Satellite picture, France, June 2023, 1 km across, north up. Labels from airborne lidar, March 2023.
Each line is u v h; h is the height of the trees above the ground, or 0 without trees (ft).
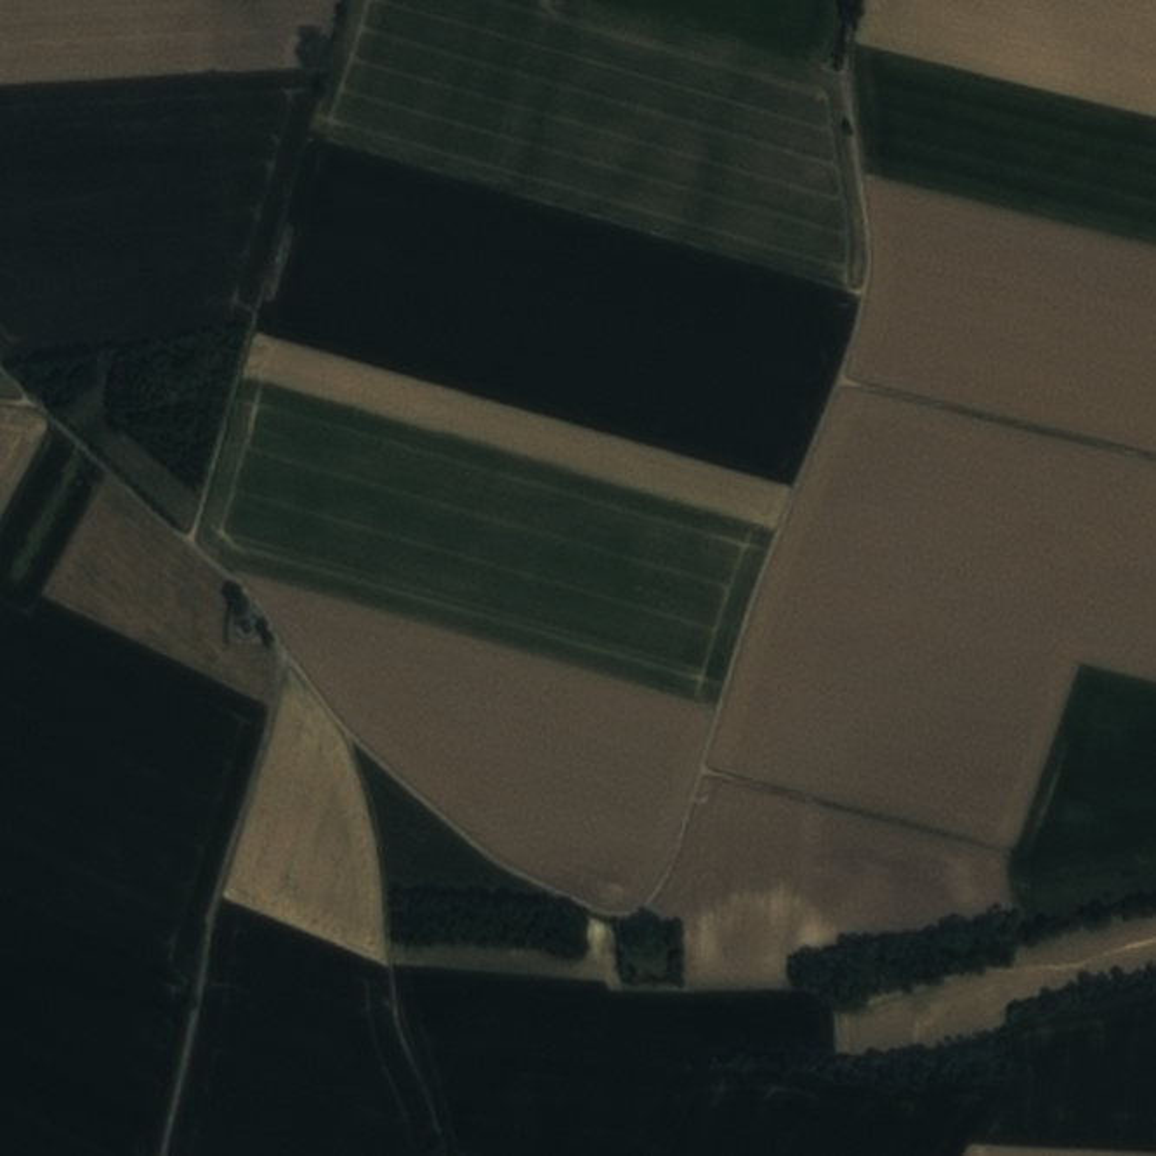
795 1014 0
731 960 0
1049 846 0
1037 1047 0
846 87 0
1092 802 0
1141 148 0
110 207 0
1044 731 0
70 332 0
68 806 0
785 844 0
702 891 0
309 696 0
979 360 0
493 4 0
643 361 0
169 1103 0
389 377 0
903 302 0
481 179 0
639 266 0
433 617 0
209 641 0
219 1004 0
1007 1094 0
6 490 0
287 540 0
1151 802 0
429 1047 0
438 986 0
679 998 0
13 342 0
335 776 0
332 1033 0
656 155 0
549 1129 0
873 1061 26
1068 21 0
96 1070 0
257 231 0
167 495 0
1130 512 0
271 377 0
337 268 0
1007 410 0
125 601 0
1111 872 0
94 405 0
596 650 0
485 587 0
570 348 0
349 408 0
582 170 0
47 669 0
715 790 0
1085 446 0
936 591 0
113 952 0
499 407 0
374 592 0
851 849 0
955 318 0
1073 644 0
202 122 0
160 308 0
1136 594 0
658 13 0
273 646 0
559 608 0
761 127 0
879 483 0
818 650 0
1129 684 0
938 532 0
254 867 0
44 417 0
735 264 0
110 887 0
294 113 0
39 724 0
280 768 0
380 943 0
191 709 0
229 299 0
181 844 0
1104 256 0
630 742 0
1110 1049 0
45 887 0
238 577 0
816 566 0
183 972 0
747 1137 0
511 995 0
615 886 0
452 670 0
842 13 38
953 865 0
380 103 0
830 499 0
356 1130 0
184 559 0
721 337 0
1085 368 0
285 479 0
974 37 0
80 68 0
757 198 0
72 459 0
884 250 0
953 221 0
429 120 0
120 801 0
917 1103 0
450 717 0
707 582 0
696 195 0
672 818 0
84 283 0
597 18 0
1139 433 0
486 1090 0
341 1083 0
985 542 0
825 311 0
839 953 27
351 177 0
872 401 0
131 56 0
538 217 0
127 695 0
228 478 0
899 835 0
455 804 0
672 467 0
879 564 0
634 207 0
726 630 0
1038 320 0
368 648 0
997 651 0
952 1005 0
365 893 0
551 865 0
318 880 0
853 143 0
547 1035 0
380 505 0
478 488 0
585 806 0
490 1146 0
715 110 0
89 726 0
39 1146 0
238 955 0
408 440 0
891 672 0
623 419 0
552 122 0
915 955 53
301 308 0
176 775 0
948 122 0
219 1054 0
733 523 0
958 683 0
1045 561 0
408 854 0
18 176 0
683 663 0
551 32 0
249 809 0
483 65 0
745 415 0
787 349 0
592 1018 0
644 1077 0
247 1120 0
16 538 0
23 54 0
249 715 0
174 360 23
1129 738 0
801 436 0
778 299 0
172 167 0
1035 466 0
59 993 0
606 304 0
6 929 0
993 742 0
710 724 0
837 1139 0
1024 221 0
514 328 0
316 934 0
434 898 41
